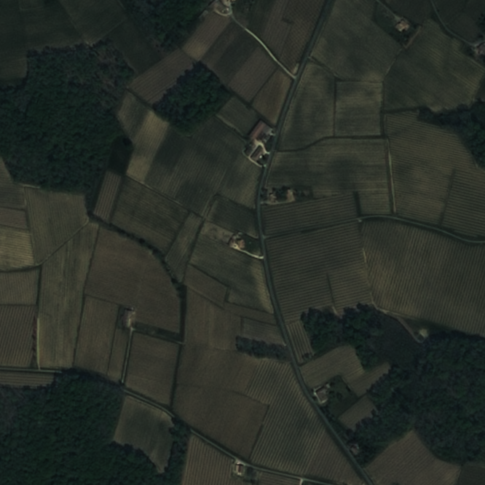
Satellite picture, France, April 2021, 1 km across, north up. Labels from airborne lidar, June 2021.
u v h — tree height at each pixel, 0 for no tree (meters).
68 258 0
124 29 0
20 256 0
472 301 0
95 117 22
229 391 0
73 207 0
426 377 23
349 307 0
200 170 0
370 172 0
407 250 0
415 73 0
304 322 14
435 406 12
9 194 0
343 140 0
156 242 0
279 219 0
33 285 0
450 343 21
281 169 0
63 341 0
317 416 0
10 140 18
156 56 0
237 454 0
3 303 0
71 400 27
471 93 0
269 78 0
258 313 0
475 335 0
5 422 16
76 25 0
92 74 21
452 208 0
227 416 0
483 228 0
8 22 0
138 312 0
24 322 0
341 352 0
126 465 21
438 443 17
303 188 0
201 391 0
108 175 0
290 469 0
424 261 0
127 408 0
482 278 0
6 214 0
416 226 0
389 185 0
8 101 24
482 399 27
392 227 0
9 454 18
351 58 0
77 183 17
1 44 0
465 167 0
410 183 0
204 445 0
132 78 14
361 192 0
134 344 0
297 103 0
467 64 0
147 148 0
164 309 0
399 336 14
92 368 0
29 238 0
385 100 0
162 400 0
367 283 0
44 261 0
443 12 0
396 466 0
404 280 0
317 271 0
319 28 0
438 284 0
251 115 0
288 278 0
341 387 0
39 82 22
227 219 0
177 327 0
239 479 0
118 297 0
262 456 0
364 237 0
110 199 0
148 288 0
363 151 0
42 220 0
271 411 0
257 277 0
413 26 6
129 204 0
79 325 0
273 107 0
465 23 0
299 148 0
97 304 0
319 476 0
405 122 0
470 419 22
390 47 0
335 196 0
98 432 23
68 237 0
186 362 0
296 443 0
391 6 0
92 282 0
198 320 0
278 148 0
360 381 0
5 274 0
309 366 0
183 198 0
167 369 0
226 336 0
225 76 0
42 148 24
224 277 0
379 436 19
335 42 0
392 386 22
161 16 20
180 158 0
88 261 0
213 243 0
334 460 0
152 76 0
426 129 0
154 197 0
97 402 22
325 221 0
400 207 0
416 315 0
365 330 21
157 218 0
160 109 19
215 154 0
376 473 0
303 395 0
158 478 19
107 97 18
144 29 12
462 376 17
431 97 0
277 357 18
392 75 0
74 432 25
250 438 0
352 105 0
